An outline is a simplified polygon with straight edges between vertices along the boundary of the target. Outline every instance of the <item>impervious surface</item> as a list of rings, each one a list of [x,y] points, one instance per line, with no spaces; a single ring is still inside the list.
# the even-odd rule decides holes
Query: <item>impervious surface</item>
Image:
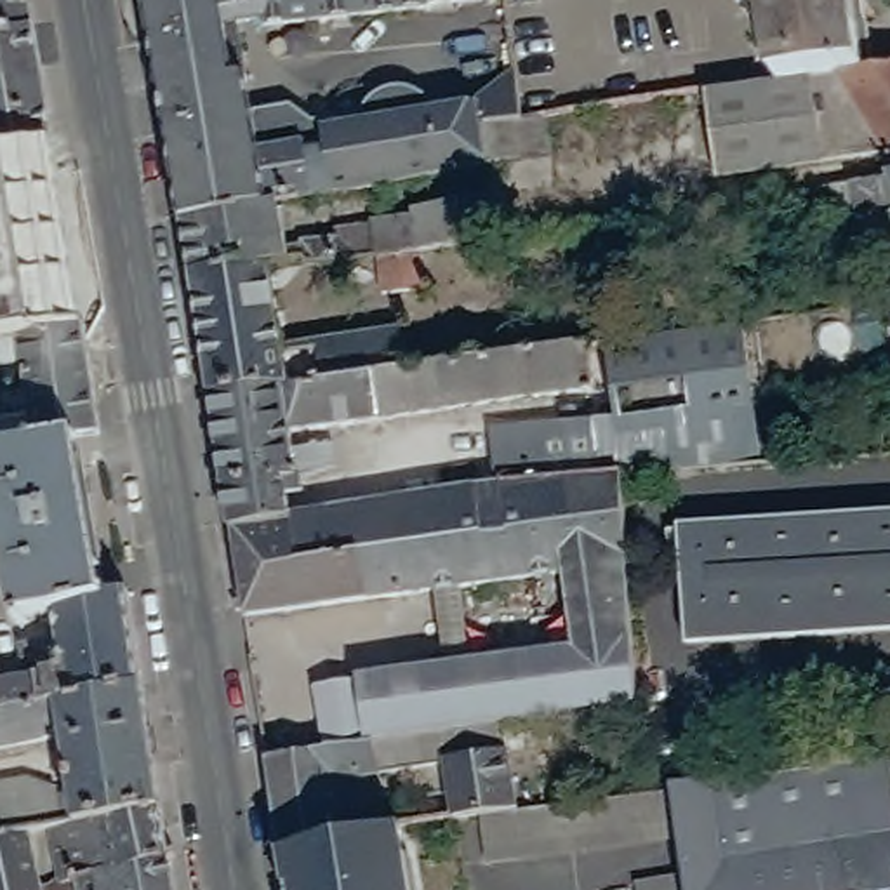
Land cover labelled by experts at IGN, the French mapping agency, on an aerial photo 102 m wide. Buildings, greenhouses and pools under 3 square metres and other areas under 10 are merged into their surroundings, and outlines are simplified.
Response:
[[[497,424],[518,424],[608,414],[608,396],[591,393],[556,396],[549,407],[494,410],[490,417]]]
[[[862,0],[852,21],[852,31],[862,38],[859,56],[890,56],[890,0]]]
[[[664,528],[674,518],[692,515],[890,504],[890,452],[883,455],[887,462],[880,462],[876,455],[855,455],[855,469],[814,473],[800,483],[768,473],[772,459],[761,459],[737,459],[737,473],[706,473],[681,480],[681,497],[671,508],[626,508],[622,532],[650,532],[661,549],[674,546],[664,535]]]
[[[70,772],[70,765],[63,761],[63,751],[56,744],[49,747],[45,734],[0,741],[0,827],[66,817],[66,810],[56,807],[56,786],[63,782],[63,772]]]
[[[435,0],[438,14],[407,14],[407,21],[389,28],[382,21],[369,24],[369,17],[362,14],[351,14],[348,28],[316,24],[320,45],[313,45],[309,59],[292,63],[282,56],[285,38],[296,31],[296,24],[282,24],[271,31],[240,31],[240,83],[250,90],[250,104],[289,101],[306,108],[309,115],[386,111],[438,97],[476,94],[508,70],[515,94],[521,94],[521,115],[539,111],[542,118],[549,118],[574,115],[570,104],[584,101],[605,97],[612,108],[629,108],[650,104],[654,94],[671,97],[674,90],[685,101],[702,104],[706,83],[751,80],[768,73],[768,52],[761,49],[761,38],[744,24],[744,0]]]
[[[38,661],[45,661],[52,654],[52,633],[42,612],[28,626],[17,626],[14,615],[7,615],[7,560],[0,556],[0,671],[28,671]]]
[[[612,466],[612,455],[490,462],[483,455],[483,428],[448,431],[442,417],[431,417],[379,428],[296,431],[296,448],[289,448],[289,455],[299,466],[299,480],[306,483],[306,490],[289,497],[289,508],[330,501],[330,508],[348,508],[365,504],[372,497],[428,494],[438,480]]]
[[[243,598],[229,598],[223,528],[233,525],[233,518],[219,515],[212,494],[233,490],[233,469],[250,473],[250,462],[236,459],[216,466],[216,452],[240,448],[243,438],[236,431],[219,438],[212,435],[212,421],[229,417],[226,410],[209,410],[209,396],[233,393],[236,386],[226,386],[219,379],[233,372],[226,358],[195,348],[198,341],[216,341],[216,330],[195,330],[195,320],[209,316],[191,302],[195,296],[209,296],[205,282],[223,268],[219,254],[226,250],[219,243],[209,243],[202,257],[184,257],[191,240],[181,240],[181,229],[191,229],[191,219],[177,216],[174,177],[163,156],[160,104],[167,101],[156,94],[156,70],[146,49],[149,0],[31,0],[28,17],[42,21],[38,42],[45,52],[45,66],[35,70],[42,87],[42,132],[52,143],[56,167],[73,167],[76,174],[73,198],[80,236],[87,243],[76,268],[83,282],[94,289],[94,299],[83,309],[83,320],[76,323],[83,334],[90,428],[101,428],[101,442],[83,448],[83,466],[90,480],[90,515],[101,542],[97,577],[122,584],[122,626],[129,643],[129,664],[136,674],[136,699],[143,713],[143,751],[149,765],[149,786],[160,789],[149,820],[153,841],[170,838],[170,890],[278,890],[275,876],[268,876],[264,859],[275,841],[261,841],[250,824],[250,807],[257,793],[257,751],[320,741],[320,727],[313,723],[316,681],[344,678],[358,668],[375,664],[438,657],[442,643],[438,636],[431,636],[435,626],[428,605],[403,608],[396,601],[375,601],[362,612],[337,612],[320,605],[316,615],[243,619]]]
[[[452,810],[438,810],[396,817],[407,890],[424,890],[421,859],[421,845],[410,834],[410,827],[421,824],[459,820],[466,845],[462,855],[469,862],[476,890],[629,890],[633,880],[671,876],[681,869],[678,841],[650,841],[591,855],[549,855],[511,866],[480,866],[480,817],[469,817],[469,810]]]
[[[668,692],[654,688],[654,699],[661,702],[654,727],[661,727],[668,737],[678,737],[681,720],[702,716],[730,685],[758,685],[772,674],[789,674],[807,661],[862,671],[873,674],[883,688],[890,688],[890,633],[685,647],[678,636],[674,591],[661,598],[650,612],[654,664],[668,678]]]
[[[21,424],[17,410],[7,400],[7,382],[17,382],[21,375],[10,362],[0,365],[0,431]]]

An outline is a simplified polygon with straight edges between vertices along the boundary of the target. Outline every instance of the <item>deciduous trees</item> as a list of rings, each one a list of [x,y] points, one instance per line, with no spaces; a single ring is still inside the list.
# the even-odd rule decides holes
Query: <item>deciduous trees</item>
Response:
[[[316,24],[296,24],[296,31],[285,38],[282,56],[292,63],[309,59],[313,45],[320,45]]]
[[[410,834],[421,845],[421,859],[442,862],[448,859],[452,845],[466,845],[459,820],[421,824],[410,827]]]
[[[706,202],[685,202],[671,195],[629,195],[612,212],[570,219],[508,219],[490,205],[476,205],[452,226],[455,243],[469,271],[490,278],[511,275],[508,302],[518,306],[525,320],[574,313],[577,323],[591,330],[588,341],[598,351],[612,355],[615,348],[640,348],[654,330],[668,323],[699,327],[702,334],[741,337],[765,316],[848,309],[848,316],[862,313],[869,320],[880,320],[883,313],[890,313],[890,240],[880,236],[880,229],[866,229],[862,236],[845,233],[845,209],[827,205],[820,198],[807,198],[807,191],[789,191],[779,177],[758,177],[758,184],[751,184],[747,191],[716,191]]]
[[[647,466],[633,480],[615,483],[615,501],[626,508],[671,508],[681,497],[681,480],[674,476],[674,469]]]
[[[661,549],[650,532],[622,532],[626,598],[633,608],[650,612],[661,598],[674,591],[681,581],[681,556],[674,553],[674,546]]]
[[[800,772],[810,761],[845,754],[852,761],[852,772],[869,772],[890,758],[890,688],[883,688],[873,674],[862,671],[807,661],[789,674],[772,674],[758,685],[730,685],[702,716],[681,720],[678,737],[668,737],[661,727],[654,727],[661,702],[654,699],[654,688],[633,685],[629,695],[615,692],[605,702],[588,702],[577,709],[574,744],[588,758],[584,765],[567,768],[567,775],[556,782],[556,796],[549,807],[560,817],[591,814],[605,807],[608,796],[657,793],[657,779],[695,779],[699,789],[716,793],[723,800],[730,800],[734,793],[758,796],[775,782],[779,768]]]
[[[772,459],[768,473],[800,483],[814,473],[855,469],[855,455],[876,455],[880,462],[887,462],[883,455],[890,452],[890,362],[876,372],[855,372],[824,382],[793,382],[786,379],[786,372],[772,375],[772,389],[789,400],[786,410],[772,421],[772,435],[761,442],[761,459]]]
[[[396,177],[365,188],[365,212],[372,212],[393,209],[407,191],[428,188],[431,177]]]
[[[414,779],[389,775],[382,782],[382,796],[393,803],[396,817],[438,810],[438,807],[435,807],[435,793],[428,789],[428,786],[424,786],[424,782],[414,782]]]

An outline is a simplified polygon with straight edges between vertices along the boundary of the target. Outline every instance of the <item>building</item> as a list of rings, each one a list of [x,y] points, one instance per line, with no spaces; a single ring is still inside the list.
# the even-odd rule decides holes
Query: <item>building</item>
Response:
[[[615,501],[615,483],[633,480],[647,466],[674,469],[674,476],[681,480],[706,473],[737,473],[737,459],[761,459],[761,442],[754,421],[754,382],[744,372],[741,337],[702,334],[699,327],[668,323],[654,330],[640,348],[615,348],[612,355],[598,351],[588,341],[553,337],[501,348],[462,348],[455,355],[428,355],[421,362],[396,365],[389,337],[403,330],[400,320],[289,341],[285,323],[275,320],[268,309],[275,289],[285,289],[296,275],[309,275],[313,268],[330,264],[337,250],[355,254],[351,275],[358,278],[362,292],[382,309],[389,306],[389,296],[403,299],[414,292],[414,257],[455,243],[452,226],[445,223],[442,202],[421,202],[407,212],[393,209],[372,212],[369,223],[337,226],[330,236],[285,240],[289,229],[278,226],[275,191],[282,184],[292,191],[323,184],[365,188],[396,177],[431,177],[452,153],[480,156],[501,167],[504,174],[518,160],[553,156],[549,118],[542,118],[539,111],[521,115],[521,94],[515,94],[508,70],[476,94],[438,97],[386,111],[309,115],[306,108],[289,101],[250,104],[250,90],[240,83],[240,31],[271,31],[282,24],[296,24],[316,24],[348,28],[351,14],[362,14],[369,17],[369,24],[382,21],[389,28],[407,21],[407,14],[438,14],[435,0],[149,0],[146,49],[156,70],[156,94],[167,101],[160,104],[163,156],[174,177],[177,216],[191,219],[191,229],[181,229],[181,240],[191,240],[184,257],[202,257],[209,243],[219,243],[226,250],[219,254],[223,268],[205,282],[209,296],[195,296],[191,302],[209,316],[195,320],[195,330],[216,330],[216,341],[198,341],[195,348],[226,358],[233,372],[219,379],[226,386],[236,386],[233,393],[209,396],[209,410],[226,410],[229,417],[212,421],[212,435],[219,438],[236,431],[243,438],[240,448],[216,452],[216,466],[236,459],[250,462],[250,473],[233,469],[233,490],[212,494],[219,515],[233,518],[233,525],[223,528],[229,598],[243,598],[243,619],[316,615],[320,605],[337,612],[362,612],[375,601],[396,601],[403,608],[428,605],[435,626],[431,636],[438,636],[442,643],[466,640],[466,598],[473,598],[473,588],[528,581],[546,574],[553,574],[553,601],[563,601],[563,619],[570,619],[570,626],[567,640],[556,643],[438,657],[375,664],[358,668],[344,678],[316,681],[313,723],[320,727],[320,741],[257,751],[257,793],[250,807],[250,824],[261,841],[275,841],[264,859],[268,876],[275,876],[278,890],[407,890],[396,817],[393,803],[382,796],[382,782],[389,775],[414,779],[414,772],[410,772],[414,765],[421,765],[421,761],[438,761],[438,796],[442,796],[442,800],[445,800],[445,803],[448,803],[452,810],[469,810],[469,817],[480,817],[480,866],[511,866],[549,855],[591,855],[650,841],[678,841],[681,869],[671,876],[633,880],[629,890],[890,890],[890,758],[869,772],[852,772],[852,761],[845,754],[810,761],[800,772],[779,768],[775,782],[758,796],[734,793],[730,800],[723,800],[716,793],[699,789],[695,779],[657,779],[657,793],[608,796],[605,807],[591,814],[560,817],[549,807],[508,803],[508,747],[501,737],[480,730],[501,716],[525,716],[535,709],[577,709],[588,702],[605,702],[615,692],[629,695],[633,685],[633,608],[626,598],[622,532],[626,508]],[[497,424],[490,417],[494,410],[549,407],[556,396],[591,393],[608,396],[608,414],[518,424]],[[365,504],[348,508],[330,508],[330,501],[289,508],[289,497],[306,490],[306,483],[299,480],[299,466],[289,455],[289,448],[296,448],[296,431],[379,428],[431,417],[442,417],[448,431],[483,428],[483,455],[490,462],[612,455],[612,466],[438,480],[428,494],[372,497]]]
[[[876,202],[890,212],[890,167],[883,167],[873,177],[848,177],[831,184],[831,191],[838,191],[845,202]]]
[[[702,104],[709,129],[709,174],[747,174],[758,167],[824,174],[838,170],[848,160],[869,160],[876,156],[880,143],[890,143],[890,56],[859,56],[862,38],[852,31],[852,21],[862,0],[744,0],[744,24],[761,38],[761,49],[768,52],[768,73],[751,80],[706,83]]]
[[[0,0],[0,365],[10,362],[21,375],[17,382],[7,382],[7,400],[17,410],[21,424],[0,431],[0,556],[7,560],[7,615],[14,615],[17,626],[28,626],[42,612],[52,633],[52,654],[45,661],[38,661],[28,671],[0,671],[0,741],[45,734],[49,747],[56,744],[63,751],[63,761],[70,765],[70,772],[63,772],[63,782],[56,786],[56,807],[66,810],[66,817],[0,827],[0,890],[170,890],[170,838],[153,841],[149,820],[160,789],[149,786],[149,765],[143,751],[143,713],[136,699],[136,674],[129,664],[129,643],[122,626],[122,584],[97,577],[101,542],[90,515],[90,480],[83,466],[83,448],[101,442],[101,428],[90,428],[83,334],[76,323],[83,320],[83,309],[94,299],[94,289],[83,282],[76,268],[87,243],[80,236],[73,198],[76,174],[73,167],[56,167],[52,143],[42,132],[42,87],[35,70],[45,66],[45,52],[38,42],[42,21],[28,17],[31,0]]]
[[[681,556],[681,581],[674,591],[678,636],[685,647],[890,633],[890,504],[692,515],[674,518],[664,528],[664,535],[674,546],[674,553]]]

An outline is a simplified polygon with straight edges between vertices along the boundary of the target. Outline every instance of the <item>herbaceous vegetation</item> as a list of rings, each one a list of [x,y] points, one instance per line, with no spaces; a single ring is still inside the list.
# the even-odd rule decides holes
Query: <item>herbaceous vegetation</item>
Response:
[[[421,859],[424,890],[476,890],[469,862],[462,855],[466,845],[452,845],[448,859],[442,862]]]
[[[709,174],[709,129],[702,104],[685,101],[674,90],[671,97],[654,94],[650,104],[629,108],[612,108],[605,97],[584,101],[570,104],[574,115],[549,118],[553,156],[518,160],[504,174],[501,167],[480,156],[452,153],[431,177],[428,188],[407,191],[393,209],[407,212],[421,202],[442,202],[445,223],[452,226],[476,205],[490,205],[508,219],[570,219],[612,212],[629,195],[671,195],[685,202],[706,202],[716,191],[747,191],[751,184],[758,184],[758,177],[779,177],[789,191],[807,191],[807,198],[820,198],[827,205],[845,209],[845,233],[862,236],[866,229],[880,229],[880,236],[890,240],[890,212],[876,202],[845,202],[838,191],[831,191],[831,184],[848,177],[873,177],[883,167],[890,167],[890,143],[880,143],[876,156],[869,160],[848,160],[838,170],[824,174],[758,167],[747,174]]]
[[[668,692],[668,678],[654,664],[650,612],[633,608],[633,685],[654,688]]]
[[[275,191],[278,226],[289,229],[285,240],[330,236],[337,226],[369,223],[372,212],[365,212],[365,188],[323,184],[292,191],[282,184]]]
[[[442,796],[438,796],[438,761],[421,761],[421,765],[414,765],[410,772],[414,772],[414,779],[414,782],[424,782],[424,786],[428,786],[428,789],[435,793],[435,807],[438,807],[438,810],[452,810],[448,803],[445,803],[445,800],[442,800]]]
[[[890,362],[890,313],[883,313],[880,320],[869,320],[862,313],[848,316],[848,309],[765,316],[741,337],[744,372],[754,382],[754,421],[761,442],[772,435],[772,421],[786,410],[789,400],[772,389],[772,375],[786,372],[786,379],[793,382],[824,382],[855,372],[876,372]]]
[[[553,574],[546,574],[528,581],[473,588],[473,598],[466,598],[466,640],[442,643],[438,657],[556,643],[567,640],[570,626],[570,619],[563,619],[563,601],[553,601]]]
[[[362,292],[358,278],[351,275],[355,254],[337,250],[330,264],[313,268],[309,275],[296,275],[285,289],[275,289],[268,309],[275,320],[285,323],[289,341],[400,320],[403,330],[389,337],[396,365],[421,362],[428,355],[455,355],[462,348],[501,348],[553,337],[588,341],[591,330],[577,323],[574,313],[525,320],[518,306],[508,302],[511,275],[490,278],[469,271],[455,243],[414,257],[414,292],[403,299],[389,296],[389,306],[382,309]]]
[[[480,730],[501,737],[508,747],[508,803],[549,807],[556,796],[556,782],[567,775],[567,768],[584,765],[588,758],[574,744],[577,709],[535,709],[525,716],[501,716]]]

